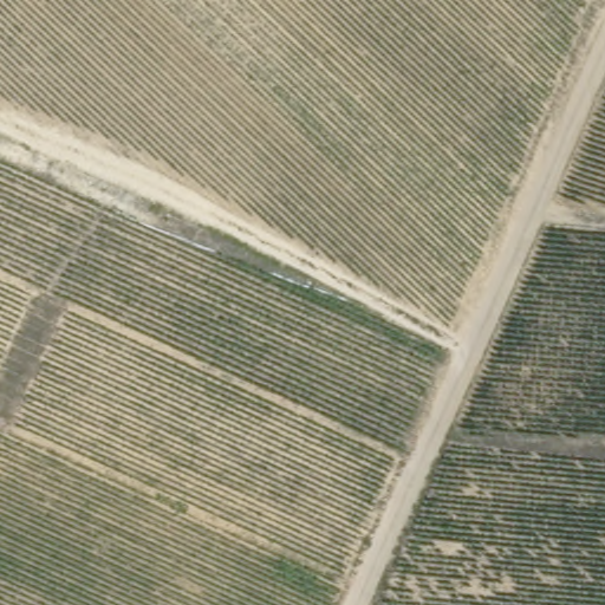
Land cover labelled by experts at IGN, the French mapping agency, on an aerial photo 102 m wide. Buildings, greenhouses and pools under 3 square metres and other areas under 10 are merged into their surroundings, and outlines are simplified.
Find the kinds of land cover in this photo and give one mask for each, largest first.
<instances>
[{"label":"vineyard","instance_id":"1","mask_svg":"<svg viewBox=\"0 0 605 605\"><path fill-rule=\"evenodd\" d=\"M605 7V0H0V97L5 102H12V109L31 113L33 121L40 125L69 123L73 128L99 132L102 137L113 139L118 144H130L132 149L144 151L156 161H163L175 175L189 177L199 189L213 191L220 199L222 208L239 215L260 217L269 229H277L286 239L303 243L314 255L343 265L345 269L366 279L371 286L390 293L392 298L406 300L414 307L425 310L432 317H440L447 326L456 317L458 298L466 291V281L482 258V246L489 239L487 229L499 220L503 199L515 196L525 187L527 165L534 158L539 139L548 128V121L555 118L558 109L567 106L572 92L570 76L577 64V54L586 45L598 9ZM588 125L579 132L577 147L565 165L567 180L562 187V199L567 201H596L605 206V97L598 95L593 99V106L586 116ZM137 208L156 215L154 227L147 229L142 227V222L125 215L123 210L99 203L97 199H90L57 182L52 175H43L38 170L12 163L5 156H0V605H343L352 579L357 577V567L362 565L364 553L369 551L371 539L383 520V508L397 487V480L409 461L411 449L416 447V421L421 411L428 406L430 390H435L437 366L447 362L449 352L444 347L388 321L366 305L340 295L331 286L317 281L314 277L255 251L253 246L210 225L189 220L175 208L156 203L147 196H137ZM487 366L482 376L473 380L463 399V406L458 409L454 423L444 435L442 449L430 466L421 496L414 503L411 518L397 536L392 560L385 565L380 574L371 605H605V232L570 227L551 225L541 229L534 265L529 267L520 286V293L515 295V300H510V310L503 319L499 338L484 352Z\"/></svg>","mask_w":605,"mask_h":605},{"label":"pervious surface","instance_id":"2","mask_svg":"<svg viewBox=\"0 0 605 605\"><path fill-rule=\"evenodd\" d=\"M0 156H5L12 163L38 170L43 175H52L57 182L90 199H97L99 203L123 210L125 215L142 222V227L147 229L154 227L156 215L137 208V196H147L156 203L175 208L189 220L210 225L253 246L255 251L314 277L317 281L331 286L340 295L366 305L388 321L444 347L449 352L447 362L454 369H466L470 352L468 336L477 317H484L487 312V305L492 300L489 288L494 281V272L499 269V265L503 267L513 255L518 222L510 220V213L515 196L503 199L499 220L487 229L489 239L482 246V258L466 281V291L458 298L456 317L447 326L440 317H432L425 310L414 307L406 300L392 298L390 293L371 286L366 279L345 269L343 265L314 255L303 243L286 239L277 229H269L260 217L239 215L222 208L220 199L213 191L199 189L189 177L175 175L163 161H156L144 151L132 149L130 144H118L113 139L102 137L99 132L73 128L69 123L40 125L33 121L31 113L12 109V102H5L0 97Z\"/></svg>","mask_w":605,"mask_h":605},{"label":"impervious surface","instance_id":"3","mask_svg":"<svg viewBox=\"0 0 605 605\"><path fill-rule=\"evenodd\" d=\"M572 92L567 106L558 109L555 118L548 121V128L539 139L534 158L527 165L525 187L515 196L510 213V220L518 222L513 255L503 267L499 265V269L494 272V281L489 288L492 300L487 305V312L484 317H477L468 336L470 352L466 369H454L447 362L437 366L435 390H430L428 406L421 411L416 421V447L411 449L409 461L397 480V487L383 508V520L371 539L369 551L364 553L362 565L357 567V577L352 579L343 605H371L380 574L385 565L392 560L397 536L411 518L414 503L421 496L430 466L442 449L444 435L454 423L458 409L463 406V399L473 380L482 376L487 366L484 352L499 338L503 319L510 310V300H515V295L520 293V286L529 267L534 265L541 229L551 225L570 227L574 222V215L567 201L562 199V187L567 180L565 165L577 147L579 132L588 125L586 116L593 106V99L598 95L605 97V7L598 9L586 45L577 54V64L570 76Z\"/></svg>","mask_w":605,"mask_h":605},{"label":"herbaceous vegetation","instance_id":"4","mask_svg":"<svg viewBox=\"0 0 605 605\"><path fill-rule=\"evenodd\" d=\"M574 215V222L570 227L605 232V206L596 201H567Z\"/></svg>","mask_w":605,"mask_h":605}]
</instances>
